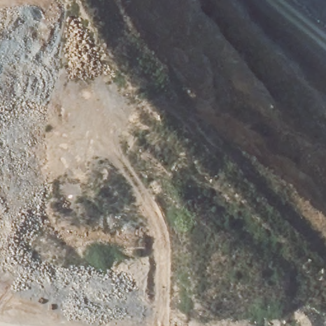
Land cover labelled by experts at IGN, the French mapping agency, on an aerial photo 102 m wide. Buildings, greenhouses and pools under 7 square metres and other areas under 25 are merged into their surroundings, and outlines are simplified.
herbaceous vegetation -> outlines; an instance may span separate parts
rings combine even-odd
[[[251,208],[239,208],[239,204],[246,204],[247,200],[225,180],[224,173],[219,172],[210,177],[196,159],[195,148],[188,139],[180,140],[186,152],[181,152],[177,162],[172,164],[173,173],[168,172],[157,158],[145,152],[136,143],[134,150],[131,150],[127,148],[127,141],[120,141],[122,153],[129,158],[131,166],[145,187],[153,181],[158,183],[160,192],[155,201],[164,215],[167,214],[169,206],[181,208],[180,192],[188,180],[194,180],[197,187],[210,187],[219,191],[229,202],[228,213],[236,216],[239,211],[246,215],[243,220],[247,232],[252,233],[257,241],[261,242],[264,252],[275,253],[273,265],[278,267],[278,273],[271,275],[275,284],[269,285],[266,279],[262,278],[259,271],[261,266],[257,262],[252,267],[248,266],[252,252],[244,252],[242,248],[230,250],[229,244],[214,228],[195,216],[195,222],[187,232],[174,229],[173,224],[166,220],[171,239],[172,274],[169,307],[185,313],[188,323],[208,323],[230,318],[234,322],[250,321],[247,326],[295,326],[295,311],[299,311],[306,304],[326,313],[326,279],[325,270],[309,270],[307,266],[311,264],[311,260],[303,261],[289,252],[287,239],[271,236],[267,230],[269,224],[261,219],[260,215],[253,214]]]
[[[136,141],[145,138],[148,143],[154,145],[155,150],[160,150],[157,132],[148,126],[145,130],[132,132]]]
[[[273,169],[262,166],[256,157],[246,150],[239,152],[233,145],[234,141],[228,140],[223,143],[225,153],[241,169],[243,176],[255,185],[256,191],[278,211],[281,218],[294,206],[301,210],[304,218],[320,230],[322,237],[326,239],[326,216],[321,211],[313,209],[311,202],[298,195],[293,183],[281,180],[278,174],[274,174]]]
[[[60,186],[65,183],[81,187],[81,196],[76,197],[76,201],[84,206],[83,213],[76,214],[70,209],[69,199],[74,199],[74,196],[66,197],[61,194]],[[99,160],[97,168],[89,174],[85,182],[79,178],[70,178],[66,173],[60,174],[53,181],[53,216],[62,222],[65,220],[74,227],[85,227],[87,234],[93,230],[116,236],[117,230],[121,230],[126,223],[130,223],[134,229],[145,227],[148,225],[148,218],[140,214],[131,186],[122,174],[118,173],[115,164],[104,158]]]
[[[47,273],[55,275],[57,266],[65,269],[70,265],[89,266],[89,262],[81,257],[74,247],[57,237],[57,230],[48,239],[27,232],[23,234],[23,239],[29,239],[29,246],[41,255],[42,264],[50,264]]]
[[[146,111],[157,121],[162,118],[146,99],[139,97],[138,89],[131,84],[130,76],[118,69],[115,73],[110,66],[104,65],[102,76],[108,79],[106,85],[116,83],[118,96],[129,99],[127,104],[132,104],[139,116]]]

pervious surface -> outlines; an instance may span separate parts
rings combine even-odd
[[[326,326],[326,313],[306,304],[299,311],[295,311],[295,326]]]
[[[98,29],[94,27],[93,19],[85,11],[81,0],[0,0],[0,326],[247,326],[250,321],[234,322],[230,318],[208,323],[188,323],[185,313],[169,307],[172,274],[171,239],[166,220],[164,215],[155,201],[160,192],[158,183],[153,181],[145,187],[131,166],[129,158],[122,153],[120,141],[127,141],[127,148],[131,150],[134,150],[136,143],[136,141],[132,132],[145,130],[148,126],[140,121],[139,116],[132,104],[127,104],[129,99],[118,96],[116,83],[106,85],[108,79],[102,76],[104,65],[110,66],[115,73],[118,69],[110,48],[103,38],[98,36]],[[85,182],[89,174],[97,168],[99,160],[104,158],[115,164],[118,173],[122,174],[131,186],[140,214],[148,218],[148,225],[145,227],[134,229],[130,223],[126,223],[121,230],[117,230],[116,236],[93,230],[87,234],[85,227],[74,227],[65,220],[62,222],[53,216],[53,181],[60,174],[66,173],[70,178],[79,178]],[[74,247],[81,257],[85,248],[92,243],[117,243],[124,246],[129,259],[120,266],[112,266],[106,271],[96,271],[94,266],[89,266],[70,265],[65,269],[57,266],[55,275],[47,273],[50,264],[42,264],[41,255],[29,246],[29,239],[23,239],[23,234],[27,232],[48,239],[57,230],[57,237]]]
[[[166,87],[158,90],[158,96],[166,97],[168,103],[180,102],[186,107],[195,104],[206,124],[228,132],[228,140],[234,141],[233,145],[239,152],[246,150],[256,157],[262,166],[273,169],[274,174],[278,174],[281,180],[293,183],[298,195],[311,202],[313,209],[321,211],[326,216],[326,0],[121,0],[124,8],[120,9],[120,14],[127,27],[130,31],[136,29],[139,32],[141,41],[146,43],[149,50],[153,51],[154,56],[166,67]]]
[[[83,213],[84,206],[76,201],[76,197],[81,196],[81,187],[65,183],[60,186],[61,194],[66,197],[74,196],[74,199],[69,199],[70,209],[76,214]]]

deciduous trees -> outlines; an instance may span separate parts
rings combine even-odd
[[[187,232],[195,222],[195,216],[185,208],[173,224],[174,229]]]

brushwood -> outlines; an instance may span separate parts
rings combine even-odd
[[[236,216],[228,213],[229,202],[219,191],[210,187],[197,187],[194,180],[188,180],[180,192],[181,208],[169,206],[167,214],[164,215],[166,220],[173,224],[185,208],[195,216],[214,228],[229,244],[230,250],[242,248],[244,252],[252,252],[248,266],[252,267],[257,262],[261,266],[259,271],[262,278],[266,279],[269,285],[275,284],[271,275],[278,273],[278,267],[273,265],[275,253],[264,252],[261,242],[257,241],[252,233],[247,232],[243,220],[246,215],[239,211]]]
[[[157,158],[168,172],[173,173],[172,164],[177,162],[181,152],[186,152],[180,140],[188,139],[195,148],[196,159],[210,177],[219,172],[224,173],[225,180],[247,200],[246,204],[239,204],[239,208],[251,208],[253,214],[260,215],[261,219],[269,224],[267,230],[271,236],[287,239],[289,252],[303,261],[311,260],[311,264],[307,266],[309,270],[325,270],[326,279],[326,239],[322,237],[320,230],[304,218],[301,210],[294,206],[281,218],[278,211],[256,191],[255,185],[243,176],[241,169],[225,153],[223,143],[228,140],[228,132],[206,124],[195,104],[186,107],[180,102],[168,103],[166,97],[158,96],[158,90],[166,87],[166,67],[154,56],[153,51],[149,50],[146,43],[141,41],[139,32],[136,29],[130,31],[127,27],[120,14],[120,9],[124,8],[121,0],[81,0],[85,11],[93,19],[94,27],[98,29],[98,36],[103,38],[110,48],[118,69],[130,76],[131,84],[138,89],[139,97],[146,99],[162,118],[157,121],[146,111],[139,116],[140,121],[148,126],[157,132],[160,150],[155,150],[154,145],[148,143],[145,138],[136,141],[136,143],[145,152]]]
[[[120,266],[129,259],[124,246],[117,243],[92,243],[85,248],[81,257],[89,262],[89,266],[94,266],[96,271],[106,271],[112,266]]]

